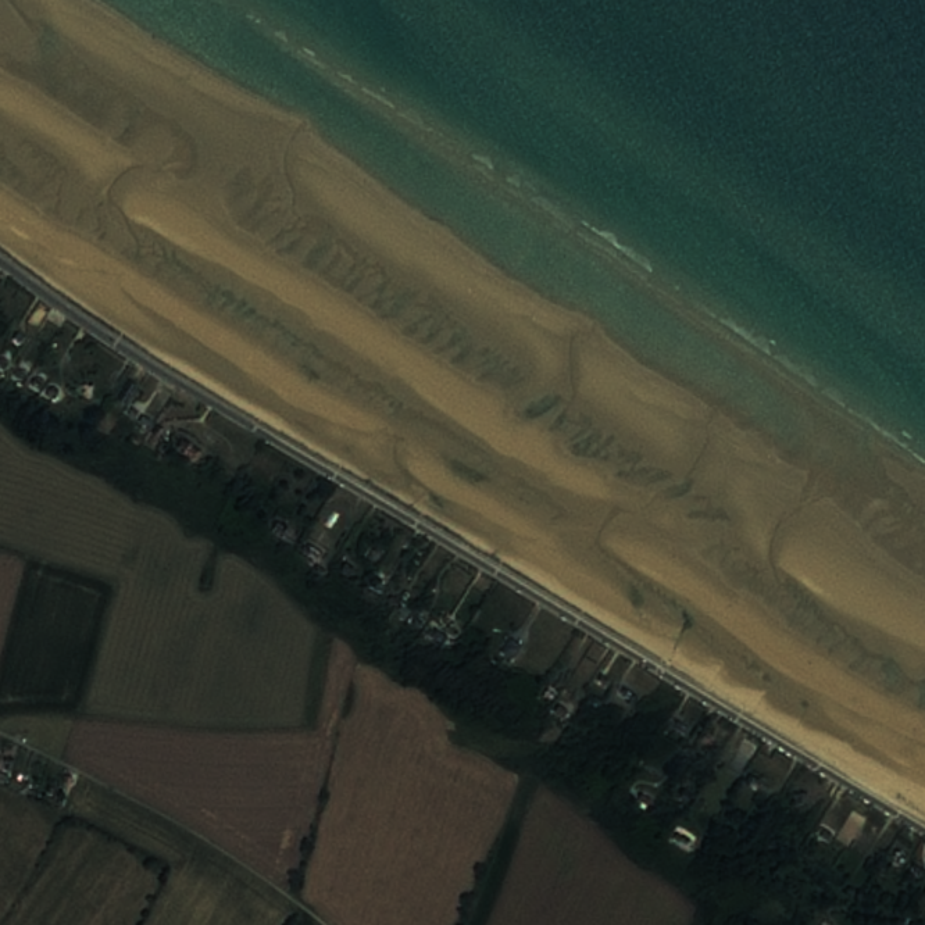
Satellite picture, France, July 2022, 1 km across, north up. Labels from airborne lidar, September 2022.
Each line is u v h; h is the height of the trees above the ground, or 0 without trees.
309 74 0
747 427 0
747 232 0
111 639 0
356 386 0
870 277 0
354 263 0
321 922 0
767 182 0
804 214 0
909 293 0
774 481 0
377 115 0
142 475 0
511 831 0
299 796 0
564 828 0
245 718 0
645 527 0
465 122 0
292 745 0
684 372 0
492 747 0
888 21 0
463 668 10
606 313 0
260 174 0
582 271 0
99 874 0
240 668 0
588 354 0
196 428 0
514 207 0
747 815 9
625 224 0
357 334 0
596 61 0
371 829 0
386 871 0
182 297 0
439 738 0
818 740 0
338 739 0
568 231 0
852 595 0
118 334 0
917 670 0
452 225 0
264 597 0
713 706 0
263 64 0
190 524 0
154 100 0
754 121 0
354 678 0
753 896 0
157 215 0
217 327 0
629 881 0
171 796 0
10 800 0
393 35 0
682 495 0
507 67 0
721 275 0
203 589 0
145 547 0
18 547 0
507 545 0
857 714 0
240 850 0
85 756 0
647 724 7
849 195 0
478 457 0
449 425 0
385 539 6
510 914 0
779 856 10
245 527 0
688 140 0
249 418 0
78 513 0
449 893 0
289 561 0
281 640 0
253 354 0
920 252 0
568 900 0
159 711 0
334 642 0
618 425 0
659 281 0
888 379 0
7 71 0
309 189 0
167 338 0
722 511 0
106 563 0
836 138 0
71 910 0
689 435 0
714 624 0
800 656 0
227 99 0
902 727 0
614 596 0
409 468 0
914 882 7
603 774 7
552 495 0
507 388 0
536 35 0
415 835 0
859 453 0
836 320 0
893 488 0
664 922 0
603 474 0
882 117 0
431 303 0
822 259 0
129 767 0
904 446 0
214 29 0
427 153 0
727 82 0
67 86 0
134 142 0
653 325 0
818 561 0
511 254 0
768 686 0
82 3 0
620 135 0
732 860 7
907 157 0
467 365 0
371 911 0
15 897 0
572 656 0
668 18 0
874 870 8
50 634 0
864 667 0
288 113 0
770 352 0
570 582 0
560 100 0
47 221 0
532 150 0
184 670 0
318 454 0
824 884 6
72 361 0
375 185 0
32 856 0
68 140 0
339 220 0
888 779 0
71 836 0
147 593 0
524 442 0
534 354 0
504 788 0
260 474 0
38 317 0
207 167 0
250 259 0
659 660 0
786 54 0
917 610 0
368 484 0
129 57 0
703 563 0
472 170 0
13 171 0
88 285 0
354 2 0
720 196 0
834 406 0
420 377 0
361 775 0
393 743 0
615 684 0
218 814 0
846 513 0
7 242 0
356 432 0
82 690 0
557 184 0
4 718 0
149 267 0
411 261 0
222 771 0
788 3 0
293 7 0
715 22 0
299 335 0
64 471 0
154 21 0
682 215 0
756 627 0
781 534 0
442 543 0
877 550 0
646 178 0
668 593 0
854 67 0
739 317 0
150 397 0
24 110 0
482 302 0
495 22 0
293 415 0
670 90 0
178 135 0
